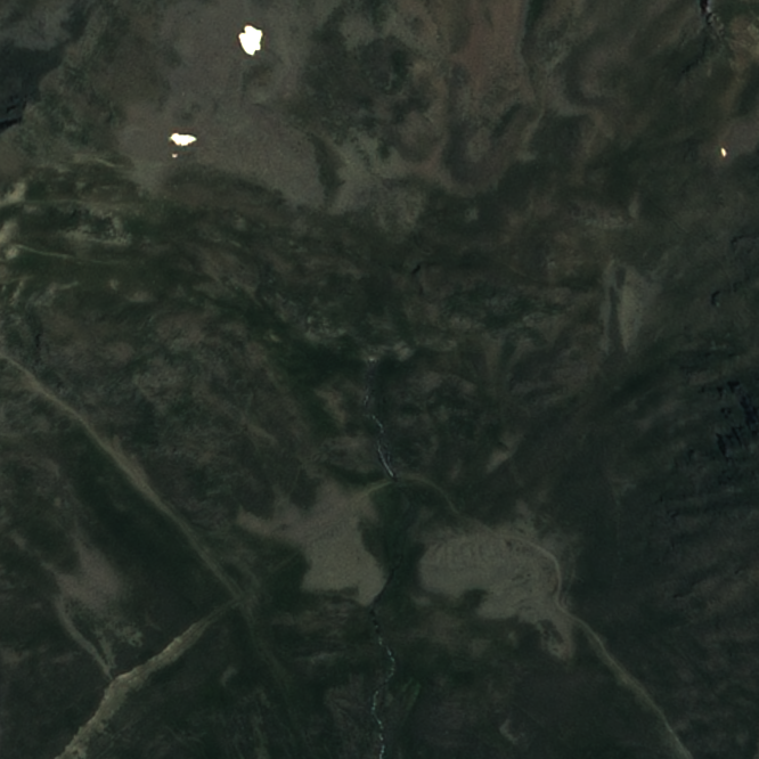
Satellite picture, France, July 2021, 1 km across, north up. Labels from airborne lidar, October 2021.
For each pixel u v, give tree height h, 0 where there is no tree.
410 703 0
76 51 0
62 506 0
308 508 0
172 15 0
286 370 0
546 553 0
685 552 0
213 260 0
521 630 0
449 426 0
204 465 0
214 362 0
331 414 0
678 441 0
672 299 0
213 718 0
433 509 0
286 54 0
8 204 0
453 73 0
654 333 0
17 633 0
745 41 0
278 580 0
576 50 0
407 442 0
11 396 0
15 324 12
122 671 0
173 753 0
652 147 0
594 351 0
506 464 0
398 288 0
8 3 0
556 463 0
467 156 0
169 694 0
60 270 0
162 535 0
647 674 0
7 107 0
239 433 0
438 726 0
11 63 0
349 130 0
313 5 0
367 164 0
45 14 0
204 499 0
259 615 0
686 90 0
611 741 0
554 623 0
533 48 0
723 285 0
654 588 0
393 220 0
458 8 0
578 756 0
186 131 0
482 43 0
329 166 0
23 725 0
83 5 0
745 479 0
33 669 0
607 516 0
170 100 0
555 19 0
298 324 0
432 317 0
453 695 0
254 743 0
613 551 0
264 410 0
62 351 0
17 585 0
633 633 0
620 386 0
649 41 0
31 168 0
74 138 0
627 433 0
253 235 0
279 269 0
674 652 0
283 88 0
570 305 0
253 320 0
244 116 0
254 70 0
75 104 0
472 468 0
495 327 0
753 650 0
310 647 0
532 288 0
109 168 0
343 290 0
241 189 0
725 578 0
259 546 0
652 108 0
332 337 0
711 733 0
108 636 0
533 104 0
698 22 0
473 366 0
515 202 0
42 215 0
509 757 0
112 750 0
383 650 0
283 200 0
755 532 0
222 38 0
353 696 0
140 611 0
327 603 0
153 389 0
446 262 0
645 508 0
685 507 0
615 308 0
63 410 0
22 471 0
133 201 0
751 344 0
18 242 0
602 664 0
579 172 0
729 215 0
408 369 0
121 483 0
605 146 0
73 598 0
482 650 0
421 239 0
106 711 0
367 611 0
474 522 0
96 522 0
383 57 0
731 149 0
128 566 0
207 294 0
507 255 0
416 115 0
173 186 0
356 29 0
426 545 0
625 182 0
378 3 0
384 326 0
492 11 0
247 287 0
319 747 0
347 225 0
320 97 0
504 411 0
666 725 0
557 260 0
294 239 0
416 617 0
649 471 0
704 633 0
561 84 0
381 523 0
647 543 0
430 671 0
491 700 0
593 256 0
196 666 0
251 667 0
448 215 0
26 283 0
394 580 0
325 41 0
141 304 0
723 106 0
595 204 0
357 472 0
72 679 0
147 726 0
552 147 0
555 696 0
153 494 0
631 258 0
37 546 0
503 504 0
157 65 0
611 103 0
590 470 0
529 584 0
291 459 0
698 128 0
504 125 0
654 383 0
